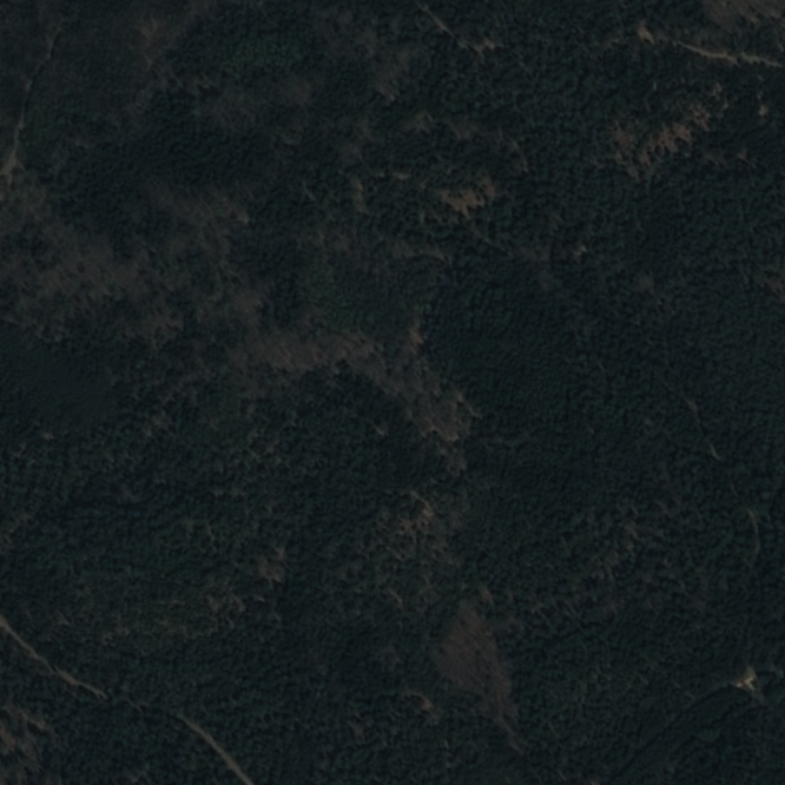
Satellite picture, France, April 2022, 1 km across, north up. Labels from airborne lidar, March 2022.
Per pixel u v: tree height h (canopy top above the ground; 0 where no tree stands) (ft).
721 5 83
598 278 87
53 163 48
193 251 74
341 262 53
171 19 58
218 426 55
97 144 73
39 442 30
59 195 62
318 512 31
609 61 40
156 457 31
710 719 74
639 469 77
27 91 39
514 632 60
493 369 81
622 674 80
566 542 110
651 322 59
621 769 66
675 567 109
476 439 62
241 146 84
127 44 50
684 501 64
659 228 67
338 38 86
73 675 71
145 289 56
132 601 21
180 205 80
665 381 89
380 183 37
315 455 47
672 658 77
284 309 89
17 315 38
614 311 60
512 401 69
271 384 36
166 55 54
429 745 65
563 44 78
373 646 62
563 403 80
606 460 103
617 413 103
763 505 87
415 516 37
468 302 76
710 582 79
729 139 49
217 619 22
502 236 99
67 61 40
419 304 55
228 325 53
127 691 95
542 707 83
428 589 74
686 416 97
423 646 67
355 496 23
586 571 108
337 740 43
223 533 70
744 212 89
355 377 53
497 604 61
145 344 45
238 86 67
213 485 26
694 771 70
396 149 77
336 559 41
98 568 92
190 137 79
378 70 73
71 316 35
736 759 55
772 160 34
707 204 51
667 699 73
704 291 90
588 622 91
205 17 52
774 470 65
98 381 49
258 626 59
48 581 31
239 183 101
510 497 84
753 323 93
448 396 61
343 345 64
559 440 86
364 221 42
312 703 87
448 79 46
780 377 88
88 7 43
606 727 81
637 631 83
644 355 68
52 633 21
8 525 86
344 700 68
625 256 88
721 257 103
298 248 72
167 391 28
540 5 77
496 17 96
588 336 99
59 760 105
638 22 79
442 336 76
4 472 91
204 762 124
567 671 73
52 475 83
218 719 92
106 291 57
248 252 79
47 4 36
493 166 54
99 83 50
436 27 76
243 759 81
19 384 48
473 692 33
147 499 83
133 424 92
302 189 62
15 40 41
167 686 92
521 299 81
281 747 24
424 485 35
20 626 33
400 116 68
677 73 29
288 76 79
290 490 77
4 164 41
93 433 51
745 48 74
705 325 91
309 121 97
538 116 77
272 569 51
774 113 42
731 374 95
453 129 69
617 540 63
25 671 39
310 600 41
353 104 71
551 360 76
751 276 92
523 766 55
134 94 44
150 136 86
